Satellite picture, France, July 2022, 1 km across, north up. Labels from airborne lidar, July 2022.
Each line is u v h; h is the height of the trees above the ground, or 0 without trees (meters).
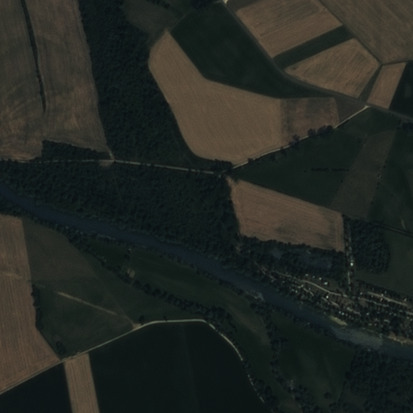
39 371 0
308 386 0
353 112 0
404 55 0
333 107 0
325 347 0
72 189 15
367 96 0
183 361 0
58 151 13
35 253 0
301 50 0
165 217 6
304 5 0
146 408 0
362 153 0
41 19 0
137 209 14
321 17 0
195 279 0
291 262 10
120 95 9
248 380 0
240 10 0
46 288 0
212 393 0
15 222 0
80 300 0
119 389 0
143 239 0
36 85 0
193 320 0
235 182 23
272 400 19
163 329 0
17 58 0
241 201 0
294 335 0
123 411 0
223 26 0
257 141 0
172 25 0
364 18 0
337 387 0
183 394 0
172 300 19
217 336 0
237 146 0
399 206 0
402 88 0
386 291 7
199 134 0
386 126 0
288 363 0
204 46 0
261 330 0
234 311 0
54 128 0
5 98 0
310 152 0
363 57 0
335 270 17
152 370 0
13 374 0
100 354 0
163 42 0
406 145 0
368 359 18
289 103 0
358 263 7
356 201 0
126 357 0
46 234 0
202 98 0
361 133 0
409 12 0
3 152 0
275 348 16
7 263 0
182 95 0
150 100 9
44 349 0
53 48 0
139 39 19
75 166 6
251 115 0
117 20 17
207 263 0
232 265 12
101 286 0
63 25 0
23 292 0
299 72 0
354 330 0
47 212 0
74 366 0
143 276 0
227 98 0
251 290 0
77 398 0
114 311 0
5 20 0
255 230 0
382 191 0
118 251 0
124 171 14
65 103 0
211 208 7
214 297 0
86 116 0
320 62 0
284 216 0
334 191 0
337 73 0
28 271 0
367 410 10
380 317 12
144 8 0
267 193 0
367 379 18
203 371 0
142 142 11
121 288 0
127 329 0
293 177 0
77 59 0
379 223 6
